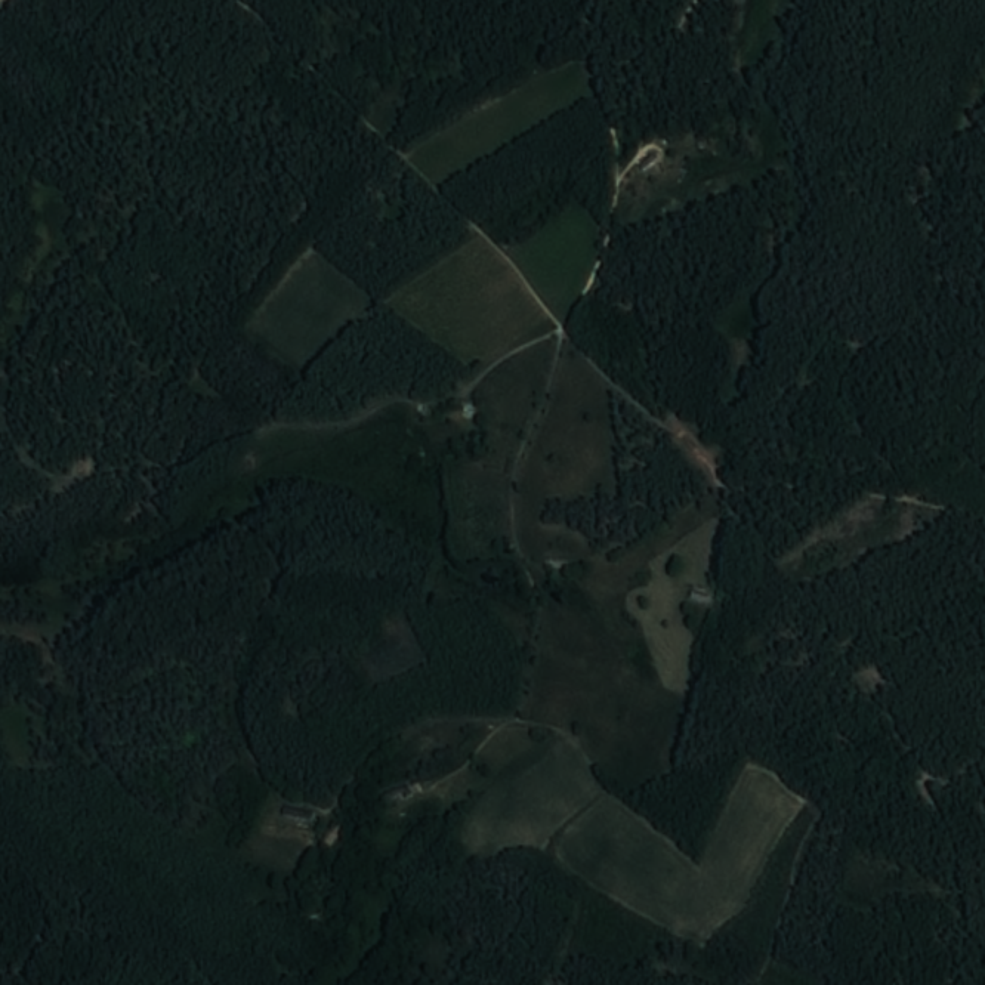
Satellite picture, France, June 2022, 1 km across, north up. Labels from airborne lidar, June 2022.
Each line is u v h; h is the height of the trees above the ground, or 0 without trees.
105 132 26
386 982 10
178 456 27
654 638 0
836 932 23
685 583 0
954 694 18
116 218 23
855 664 21
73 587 13
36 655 22
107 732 17
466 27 22
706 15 29
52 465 17
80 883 18
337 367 21
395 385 23
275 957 17
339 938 18
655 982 18
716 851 0
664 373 19
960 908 8
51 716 16
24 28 18
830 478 17
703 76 25
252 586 28
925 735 22
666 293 24
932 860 19
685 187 0
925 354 19
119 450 19
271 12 28
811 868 11
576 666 0
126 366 24
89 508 16
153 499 28
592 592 0
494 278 0
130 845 21
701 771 15
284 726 20
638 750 0
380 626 16
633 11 11
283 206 27
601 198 18
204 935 21
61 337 13
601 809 0
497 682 12
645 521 20
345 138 10
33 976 24
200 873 20
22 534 20
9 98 23
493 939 18
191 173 20
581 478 0
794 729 17
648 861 0
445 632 18
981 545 18
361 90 18
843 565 0
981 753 16
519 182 17
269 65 11
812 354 19
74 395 17
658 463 21
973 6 19
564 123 16
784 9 0
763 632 19
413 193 20
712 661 15
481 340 0
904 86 21
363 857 14
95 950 18
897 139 18
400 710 15
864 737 18
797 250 21
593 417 12
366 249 25
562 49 27
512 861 15
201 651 21
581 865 0
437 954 0
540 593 11
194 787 16
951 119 20
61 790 15
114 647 27
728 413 30
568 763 0
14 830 16
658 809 17
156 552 12
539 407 9
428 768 10
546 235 0
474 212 19
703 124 14
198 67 26
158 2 27
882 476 17
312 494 28
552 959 17
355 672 13
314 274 0
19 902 19
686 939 6
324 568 24
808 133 18
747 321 0
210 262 18
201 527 9
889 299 21
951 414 17
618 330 14
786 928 12
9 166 25
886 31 19
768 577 19
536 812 0
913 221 29
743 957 12
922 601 23
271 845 0
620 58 27
